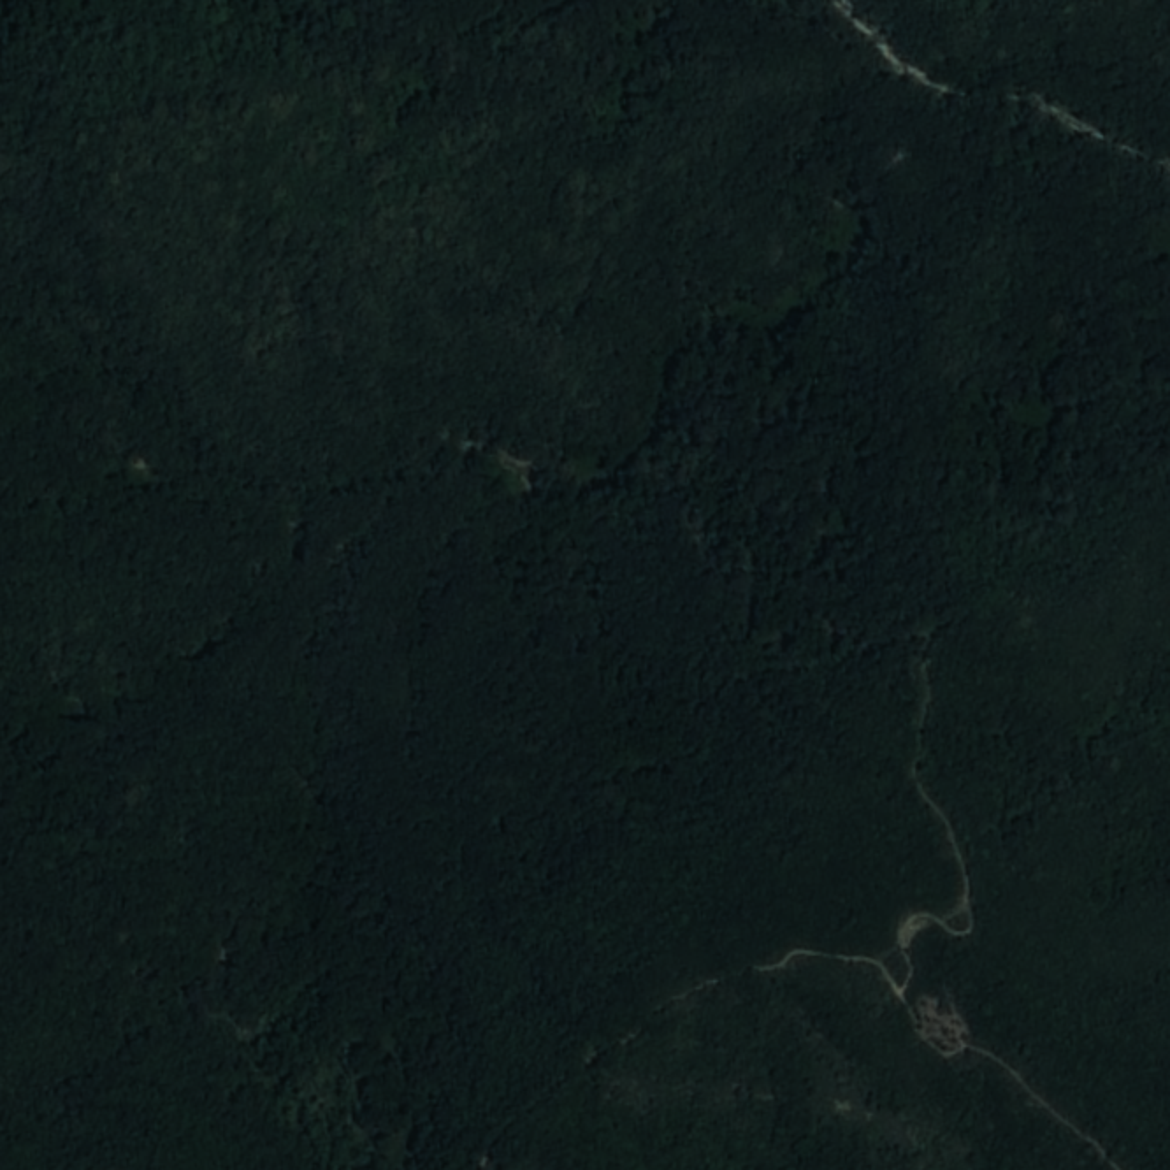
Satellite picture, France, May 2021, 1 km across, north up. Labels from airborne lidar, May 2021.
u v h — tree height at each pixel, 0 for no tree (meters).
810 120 23
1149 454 11
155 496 29
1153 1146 10
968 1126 7
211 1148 15
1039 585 11
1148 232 14
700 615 18
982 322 14
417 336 13
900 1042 5
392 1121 15
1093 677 8
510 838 18
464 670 14
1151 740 12
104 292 17
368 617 14
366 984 22
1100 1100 9
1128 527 10
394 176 9
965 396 19
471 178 15
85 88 6
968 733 15
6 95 10
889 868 8
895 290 20
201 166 13
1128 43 10
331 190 10
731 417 18
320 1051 10
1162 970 12
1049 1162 6
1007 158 14
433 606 19
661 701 25
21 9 24
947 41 17
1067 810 9
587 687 23
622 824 14
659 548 22
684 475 22
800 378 18
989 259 9
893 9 15
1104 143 21
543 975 13
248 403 12
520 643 23
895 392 18
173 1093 10
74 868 17
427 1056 18
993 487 25
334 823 23
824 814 10
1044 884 6
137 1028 24
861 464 14
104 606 13
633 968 12
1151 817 13
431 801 21
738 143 14
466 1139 15
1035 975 10
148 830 15
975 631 9
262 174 10
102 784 16
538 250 16
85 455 21
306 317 20
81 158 10
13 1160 14
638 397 24
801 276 21
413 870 12
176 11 11
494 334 15
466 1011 19
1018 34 9
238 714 14
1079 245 24
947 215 15
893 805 8
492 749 12
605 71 13
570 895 15
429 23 13
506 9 15
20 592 18
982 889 7
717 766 15
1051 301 21
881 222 24
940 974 7
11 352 22
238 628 21
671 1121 8
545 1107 9
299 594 20
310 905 32
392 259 13
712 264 22
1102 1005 10
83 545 24
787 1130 12
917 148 17
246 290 11
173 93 10
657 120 14
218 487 20
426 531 13
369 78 17
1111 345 20
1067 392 13
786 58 16
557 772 15
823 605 21
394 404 16
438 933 17
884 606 13
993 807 9
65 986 14
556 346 16
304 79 8
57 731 32
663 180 15
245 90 8
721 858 12
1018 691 9
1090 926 9
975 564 15
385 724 16
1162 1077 10
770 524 19
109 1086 16
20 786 23
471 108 10
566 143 15
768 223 21
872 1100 9
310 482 26
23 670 17
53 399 19
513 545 26
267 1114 16
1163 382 16
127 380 29
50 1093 18
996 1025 13
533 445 18
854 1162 6
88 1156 12
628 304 22
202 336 7
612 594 20
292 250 13
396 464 17
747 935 8
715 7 22
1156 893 8
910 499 15
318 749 26
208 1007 18
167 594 14
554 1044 11
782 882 7
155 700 25
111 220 11
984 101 25
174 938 18
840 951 6
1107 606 10
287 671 21
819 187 19
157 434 23
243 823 20
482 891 18
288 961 28
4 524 21
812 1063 6
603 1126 13
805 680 18
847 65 16
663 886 13
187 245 13
